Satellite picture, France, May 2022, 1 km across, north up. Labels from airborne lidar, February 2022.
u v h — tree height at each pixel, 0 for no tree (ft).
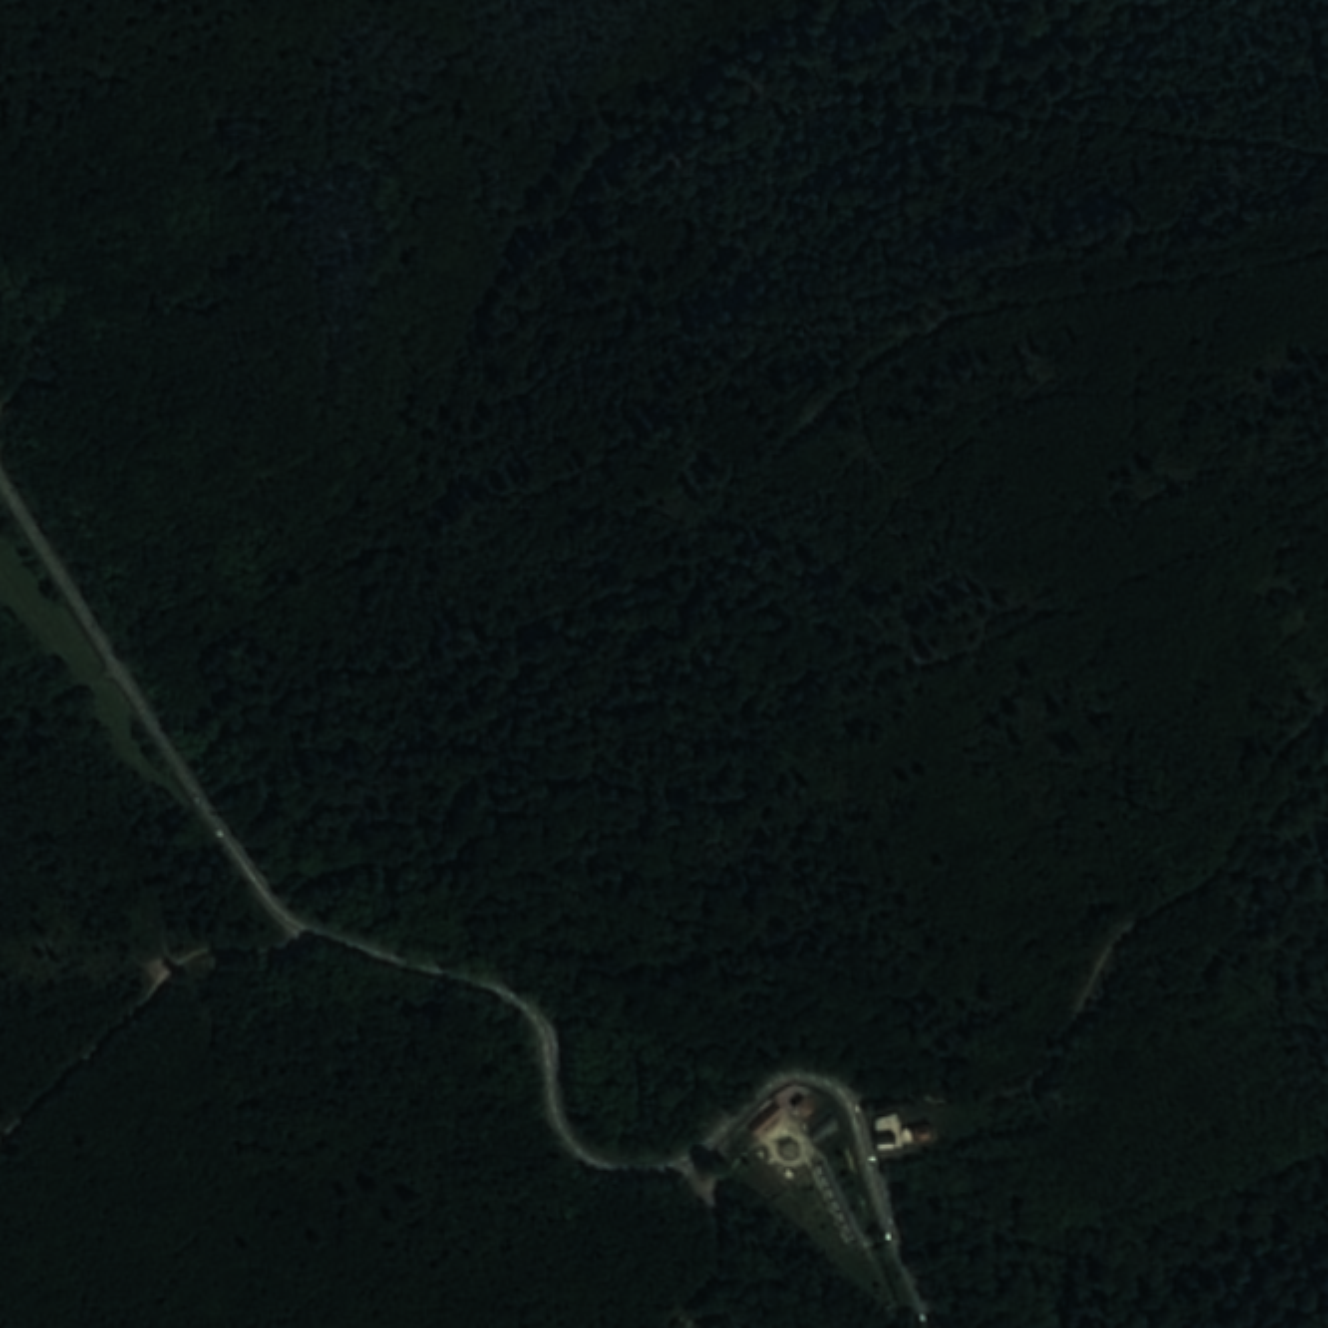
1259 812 57
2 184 80
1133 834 42
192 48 92
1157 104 50
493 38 89
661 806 76
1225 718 39
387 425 79
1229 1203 104
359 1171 40
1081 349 42
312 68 94
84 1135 37
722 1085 72
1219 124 31
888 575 36
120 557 45
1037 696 24
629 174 134
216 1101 41
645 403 20
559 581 25
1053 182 29
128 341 78
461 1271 58
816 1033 97
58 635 0
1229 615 39
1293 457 40
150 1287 40
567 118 86
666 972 99
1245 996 53
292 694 99
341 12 101
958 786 32
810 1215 0
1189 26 43
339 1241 52
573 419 49
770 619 82
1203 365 23
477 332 78
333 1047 55
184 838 70
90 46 80
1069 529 26
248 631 43
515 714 93
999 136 40
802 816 34
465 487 35
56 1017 30
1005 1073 41
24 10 89
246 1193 39
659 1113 78
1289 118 52
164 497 68
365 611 47
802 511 45
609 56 84
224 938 64
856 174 45
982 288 99
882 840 46
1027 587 23
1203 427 25
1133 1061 55
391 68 106
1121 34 51
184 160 95
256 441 92
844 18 44
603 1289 58
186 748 67
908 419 84
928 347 28
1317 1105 56
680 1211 55
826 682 97
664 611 89
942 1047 105
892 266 78
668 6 62
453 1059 69
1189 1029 46
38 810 34
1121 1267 116
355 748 106
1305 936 61
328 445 88
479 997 63
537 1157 67
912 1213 89
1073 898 32
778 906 92
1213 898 51
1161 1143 64
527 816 87
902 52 114
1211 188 41
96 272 86
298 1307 61
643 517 24
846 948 92
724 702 80
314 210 89
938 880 31
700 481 116
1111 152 39
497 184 88
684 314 34
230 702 88
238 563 66
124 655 52
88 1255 39
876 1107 58
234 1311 45
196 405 84
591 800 86
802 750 91
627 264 94
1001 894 34
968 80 74
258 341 91
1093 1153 57
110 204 90
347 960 65
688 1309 66
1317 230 36
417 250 82
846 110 49
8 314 68
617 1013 76
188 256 85
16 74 91
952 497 21
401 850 80
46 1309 43
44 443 65
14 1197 40
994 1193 93
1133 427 33
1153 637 57
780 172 93
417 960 74
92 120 93
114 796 34
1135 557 41
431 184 59
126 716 0
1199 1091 69
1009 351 32
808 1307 76
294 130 87
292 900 50
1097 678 59
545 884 88
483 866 90
